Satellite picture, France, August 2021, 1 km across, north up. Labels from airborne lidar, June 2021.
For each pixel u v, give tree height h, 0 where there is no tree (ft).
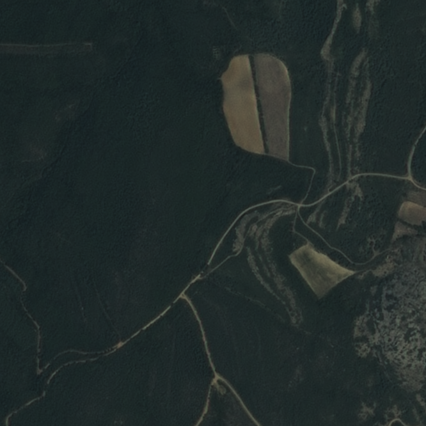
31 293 21
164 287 22
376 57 32
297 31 20
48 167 20
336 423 0
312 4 30
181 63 21
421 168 22
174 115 19
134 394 20
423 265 0
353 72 0
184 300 0
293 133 0
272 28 24
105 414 18
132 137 20
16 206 28
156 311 18
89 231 19
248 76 0
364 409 0
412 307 0
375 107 34
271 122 0
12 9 17
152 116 21
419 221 0
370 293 0
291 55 0
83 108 19
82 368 20
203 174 18
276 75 0
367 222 26
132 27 18
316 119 0
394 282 0
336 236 0
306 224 0
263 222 0
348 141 0
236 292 24
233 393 0
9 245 18
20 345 24
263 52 0
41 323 21
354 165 0
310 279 0
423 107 21
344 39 21
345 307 21
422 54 23
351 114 0
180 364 21
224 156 22
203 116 21
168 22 17
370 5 0
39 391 29
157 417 20
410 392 0
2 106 17
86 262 18
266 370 17
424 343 0
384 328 0
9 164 20
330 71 0
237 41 19
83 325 18
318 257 0
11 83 23
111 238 22
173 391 26
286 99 0
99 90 20
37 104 19
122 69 19
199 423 0
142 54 20
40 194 17
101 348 17
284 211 0
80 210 22
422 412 42
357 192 0
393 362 0
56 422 21
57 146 23
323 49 0
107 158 17
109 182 18
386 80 24
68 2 19
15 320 29
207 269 22
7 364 23
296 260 0
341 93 0
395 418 0
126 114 20
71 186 18
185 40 18
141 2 26
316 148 0
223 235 0
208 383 20
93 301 0
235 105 0
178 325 18
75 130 20
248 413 0
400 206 0
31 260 18
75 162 18
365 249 21
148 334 20
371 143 20
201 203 17
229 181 22
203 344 26
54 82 19
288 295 0
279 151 0
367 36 20
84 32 18
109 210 19
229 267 0
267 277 0
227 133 19
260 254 0
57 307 19
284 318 0
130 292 19
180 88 21
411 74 29
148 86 19
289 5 30
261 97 0
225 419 0
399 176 0
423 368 0
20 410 17
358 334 0
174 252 18
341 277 0
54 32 18
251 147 0
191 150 20
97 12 19
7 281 34
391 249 0
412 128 20
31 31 17
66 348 17
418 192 0
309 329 0
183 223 20
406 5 0
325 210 0
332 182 0
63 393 19
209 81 32
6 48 0
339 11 0
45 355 22
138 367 18
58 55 17
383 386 21
